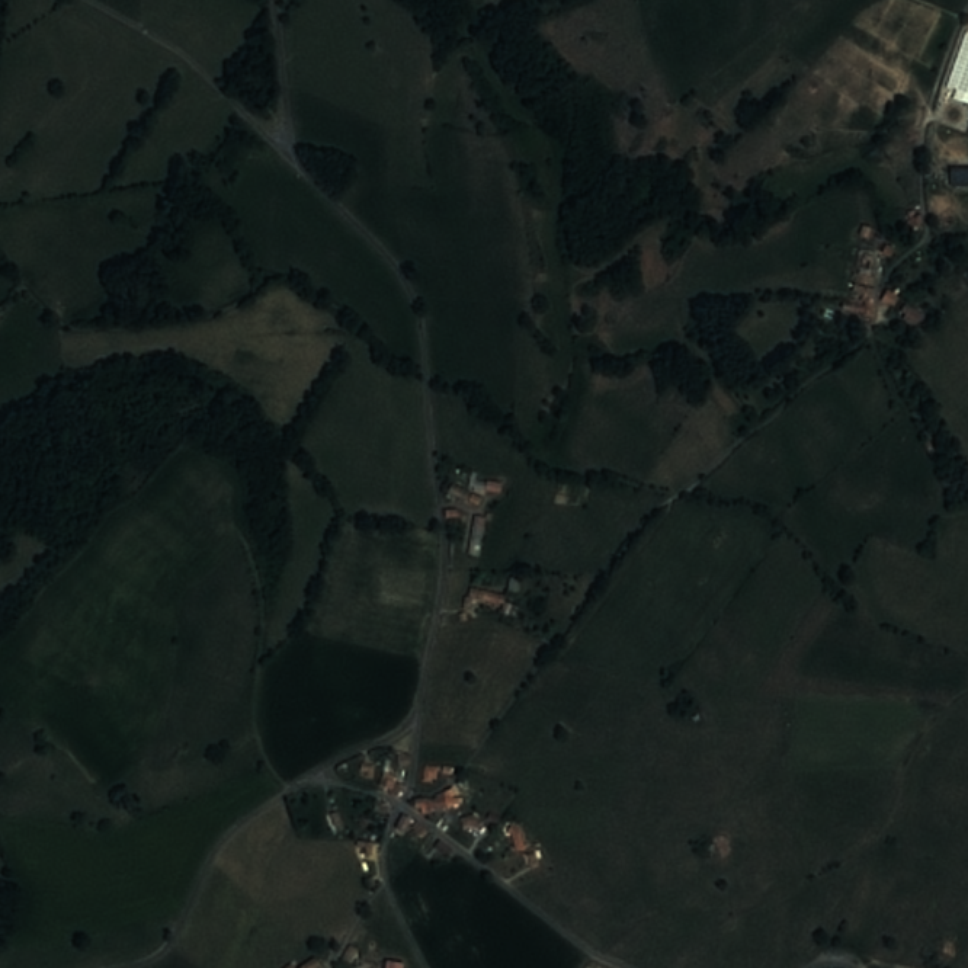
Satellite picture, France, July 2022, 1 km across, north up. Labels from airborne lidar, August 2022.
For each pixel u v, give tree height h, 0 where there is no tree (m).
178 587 0
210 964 0
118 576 0
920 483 0
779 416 0
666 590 0
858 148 0
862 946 0
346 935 0
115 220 15
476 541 0
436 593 0
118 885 0
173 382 13
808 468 0
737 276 0
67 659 0
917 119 0
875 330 9
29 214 0
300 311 0
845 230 0
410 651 0
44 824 0
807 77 0
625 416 0
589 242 15
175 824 0
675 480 0
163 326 13
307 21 0
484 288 0
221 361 0
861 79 0
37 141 6
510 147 0
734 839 0
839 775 0
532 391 0
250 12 0
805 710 0
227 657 0
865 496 0
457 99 0
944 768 0
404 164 0
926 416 16
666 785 0
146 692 0
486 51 0
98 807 0
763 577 0
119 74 0
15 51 0
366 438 0
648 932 0
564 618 0
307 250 0
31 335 0
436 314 0
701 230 20
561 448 0
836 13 0
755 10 0
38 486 20
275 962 0
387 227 0
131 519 0
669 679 10
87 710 0
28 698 0
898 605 0
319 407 12
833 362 8
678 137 0
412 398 0
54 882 0
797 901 0
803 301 13
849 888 0
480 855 10
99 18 0
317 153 18
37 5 0
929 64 0
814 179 0
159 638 0
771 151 0
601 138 6
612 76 0
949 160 0
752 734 0
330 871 0
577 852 0
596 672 0
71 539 6
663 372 14
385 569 0
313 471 16
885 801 0
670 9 0
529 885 0
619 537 0
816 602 0
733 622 0
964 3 0
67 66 0
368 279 0
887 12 0
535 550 0
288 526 13
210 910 0
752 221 20
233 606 0
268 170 0
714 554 0
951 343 0
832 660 0
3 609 15
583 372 0
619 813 0
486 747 0
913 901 0
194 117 0
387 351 15
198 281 0
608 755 0
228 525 0
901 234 13
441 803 0
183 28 0
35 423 20
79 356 0
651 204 12
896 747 0
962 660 0
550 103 6
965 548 0
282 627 0
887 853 0
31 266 0
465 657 0
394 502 0
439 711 0
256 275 7
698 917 0
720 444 0
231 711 0
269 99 22
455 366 0
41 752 12
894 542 0
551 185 0
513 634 0
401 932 0
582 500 0
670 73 0
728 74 0
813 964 0
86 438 20
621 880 0
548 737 0
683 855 0
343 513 14
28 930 0
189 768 0
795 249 0
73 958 0
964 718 0
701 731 0
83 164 0
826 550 0
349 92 0
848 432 0
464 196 0
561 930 0
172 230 16
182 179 28
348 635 0
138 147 17
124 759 0
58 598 0
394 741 0
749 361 26
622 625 0
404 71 0
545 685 0
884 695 0
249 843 0
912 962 0
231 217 13
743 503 10
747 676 0
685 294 0
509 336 0
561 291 0
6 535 17
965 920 0
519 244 0
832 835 0
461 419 0
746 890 0
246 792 0
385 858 0
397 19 0
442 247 0
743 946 0
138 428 9
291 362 0
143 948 0
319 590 15
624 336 0
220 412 18
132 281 29
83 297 0
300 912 0
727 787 0
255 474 16
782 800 0
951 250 17
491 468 0
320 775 0
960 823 0
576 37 0
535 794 0
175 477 0
